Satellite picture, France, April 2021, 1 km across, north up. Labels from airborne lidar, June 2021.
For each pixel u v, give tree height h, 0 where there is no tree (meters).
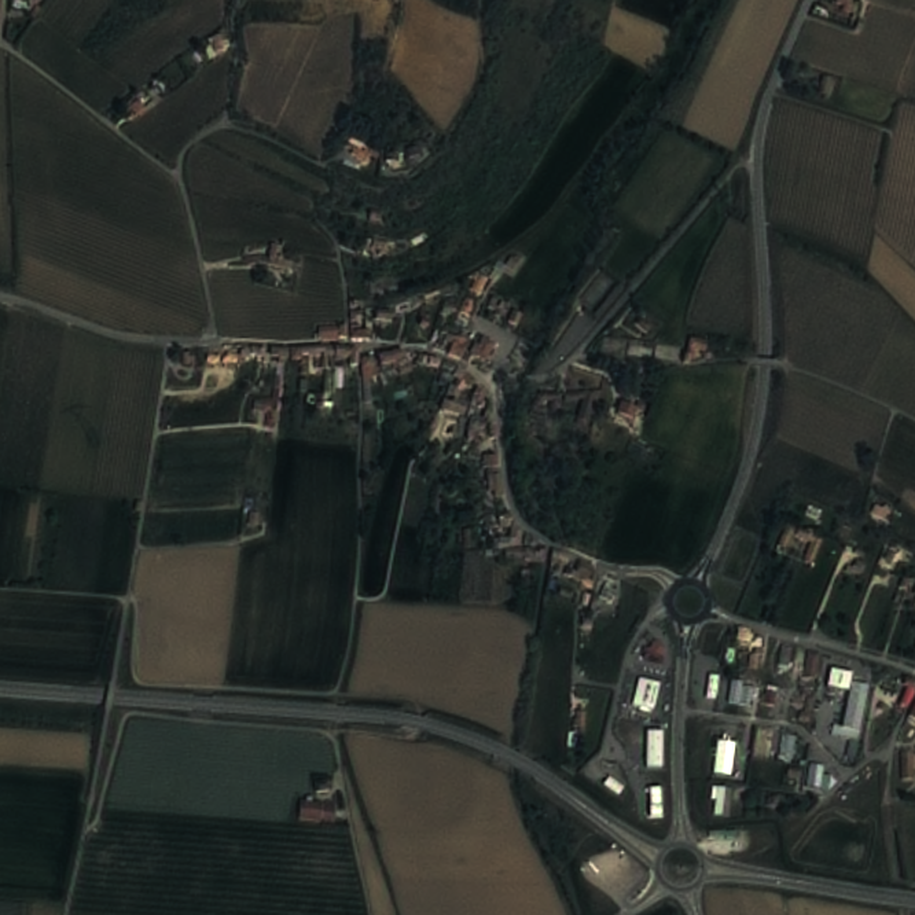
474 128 14
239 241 0
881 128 0
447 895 0
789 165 0
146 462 0
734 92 0
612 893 0
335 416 10
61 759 0
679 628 0
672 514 0
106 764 0
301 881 6
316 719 0
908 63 0
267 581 0
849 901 0
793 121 0
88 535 0
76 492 0
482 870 0
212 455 0
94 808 0
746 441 0
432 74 0
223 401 0
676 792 0
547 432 28
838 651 0
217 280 0
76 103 0
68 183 0
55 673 0
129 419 0
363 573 0
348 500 0
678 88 10
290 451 0
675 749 0
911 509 0
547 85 7
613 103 0
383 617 0
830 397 0
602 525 15
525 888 0
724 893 0
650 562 0
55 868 0
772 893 0
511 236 0
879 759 0
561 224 0
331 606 0
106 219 0
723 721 0
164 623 0
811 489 0
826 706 0
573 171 0
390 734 0
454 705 0
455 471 6
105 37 7
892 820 0
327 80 0
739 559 0
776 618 7
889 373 0
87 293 0
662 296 0
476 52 0
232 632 0
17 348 0
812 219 0
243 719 0
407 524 0
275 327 0
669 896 0
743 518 0
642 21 0
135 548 0
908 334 0
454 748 0
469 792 0
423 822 0
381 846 0
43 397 0
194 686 0
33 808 0
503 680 0
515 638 0
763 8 0
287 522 0
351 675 0
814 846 0
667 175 0
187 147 0
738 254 0
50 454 0
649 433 0
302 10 0
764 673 0
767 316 0
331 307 0
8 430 0
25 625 0
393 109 7
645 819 0
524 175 9
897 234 0
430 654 0
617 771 0
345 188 14
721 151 8
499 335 0
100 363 0
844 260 0
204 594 0
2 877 0
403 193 13
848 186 0
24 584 6
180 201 0
